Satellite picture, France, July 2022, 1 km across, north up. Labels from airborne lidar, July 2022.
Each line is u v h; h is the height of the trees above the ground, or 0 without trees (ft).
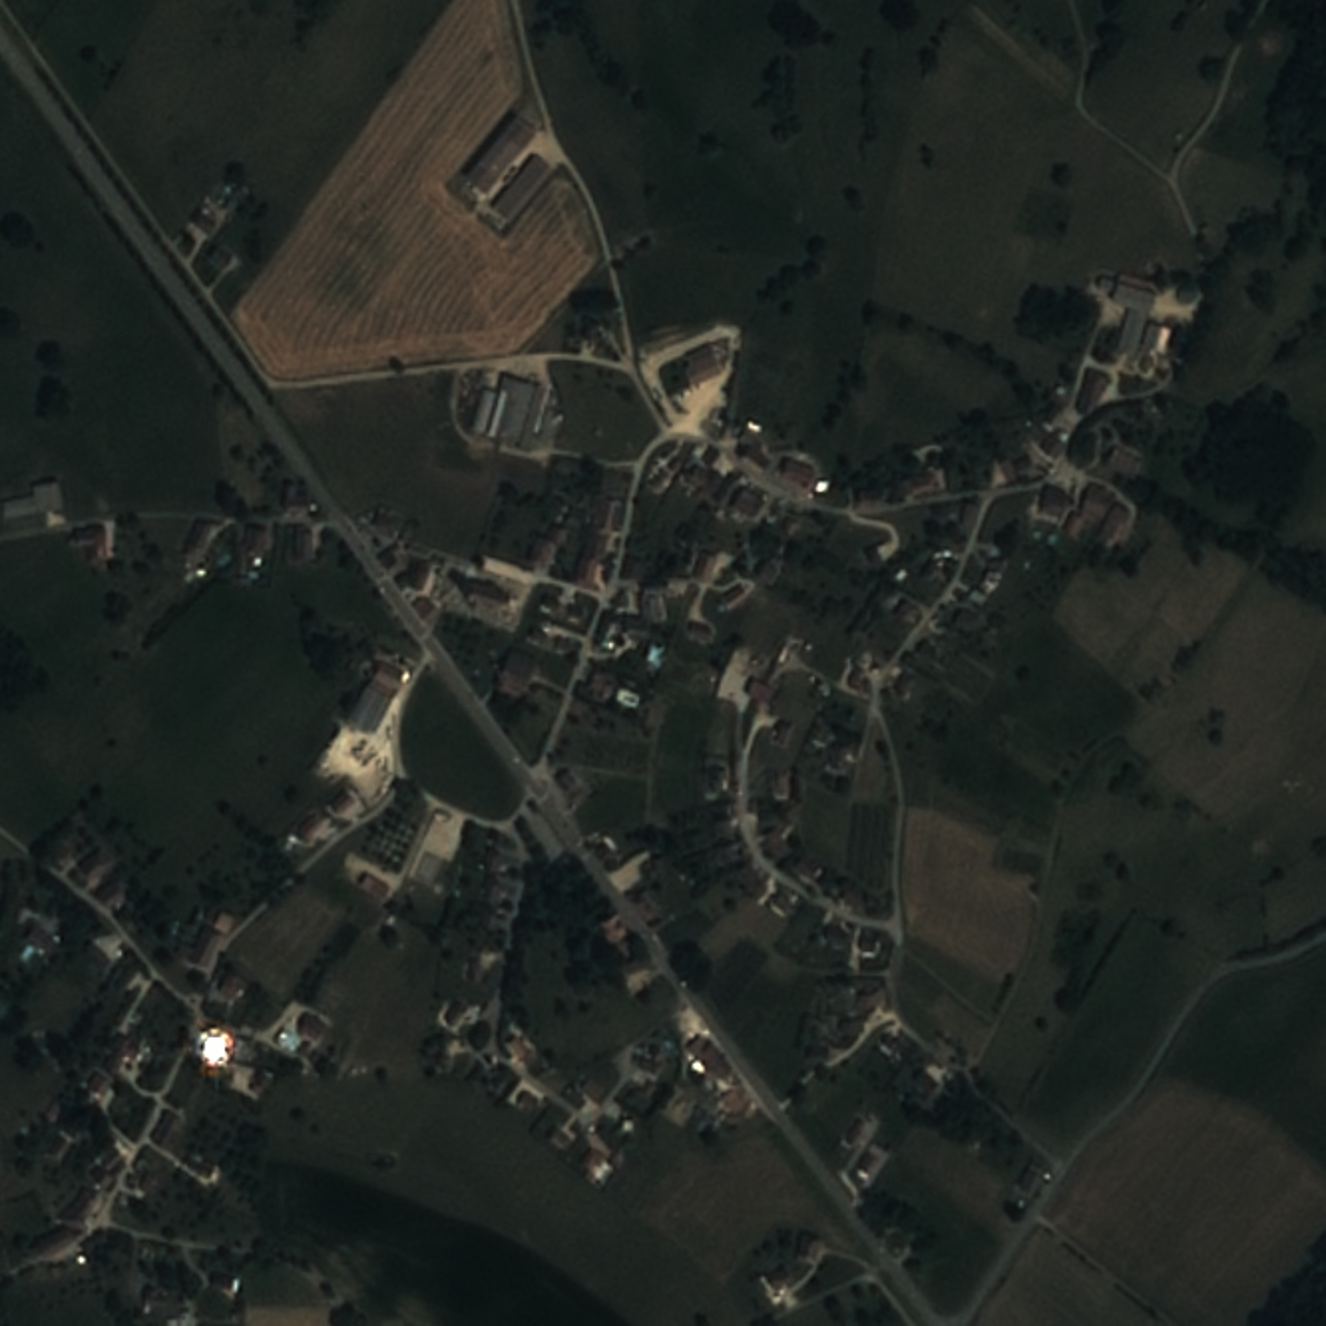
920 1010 0
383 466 0
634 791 0
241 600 0
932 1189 0
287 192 0
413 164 0
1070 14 0
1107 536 0
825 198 0
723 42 0
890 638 0
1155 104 0
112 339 0
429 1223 0
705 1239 0
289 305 0
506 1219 0
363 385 0
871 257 0
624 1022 0
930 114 0
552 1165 0
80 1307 0
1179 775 0
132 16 0
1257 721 0
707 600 0
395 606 0
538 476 0
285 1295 0
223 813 31
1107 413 22
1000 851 0
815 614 20
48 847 40
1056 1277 0
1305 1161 0
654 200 23
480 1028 30
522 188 0
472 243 0
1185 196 0
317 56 0
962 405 0
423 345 0
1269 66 0
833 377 0
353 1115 0
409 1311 0
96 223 0
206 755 0
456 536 0
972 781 0
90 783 0
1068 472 0
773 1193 0
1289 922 0
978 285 0
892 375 0
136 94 0
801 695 0
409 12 0
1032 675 29
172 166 0
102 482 0
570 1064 0
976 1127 50
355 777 0
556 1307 0
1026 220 0
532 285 0
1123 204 0
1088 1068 0
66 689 0
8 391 0
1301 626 0
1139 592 0
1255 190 0
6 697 69
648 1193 0
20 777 0
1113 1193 0
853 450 0
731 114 0
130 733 0
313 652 55
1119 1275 0
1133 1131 0
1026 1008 0
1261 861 0
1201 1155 0
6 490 0
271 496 0
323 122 0
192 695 0
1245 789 0
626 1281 0
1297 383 0
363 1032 0
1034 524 0
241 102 0
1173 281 25
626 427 0
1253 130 0
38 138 0
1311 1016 0
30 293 0
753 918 0
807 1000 0
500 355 0
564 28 35
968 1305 0
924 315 0
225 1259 25
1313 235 37
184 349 0
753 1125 0
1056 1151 0
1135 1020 0
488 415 0
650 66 0
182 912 0
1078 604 0
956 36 0
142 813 0
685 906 0
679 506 0
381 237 0
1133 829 0
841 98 0
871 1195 30
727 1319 0
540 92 0
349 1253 0
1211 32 0
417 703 0
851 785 30
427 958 0
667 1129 0
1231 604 0
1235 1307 0
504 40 0
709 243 0
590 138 0
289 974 0
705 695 0
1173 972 0
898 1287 0
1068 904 0
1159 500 51
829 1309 30
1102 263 0
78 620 0
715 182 0
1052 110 0
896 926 0
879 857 0
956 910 0
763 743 0
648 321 0
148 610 0
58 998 0
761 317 0
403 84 0
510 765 0
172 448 0
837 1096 0
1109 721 0
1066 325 38
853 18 0
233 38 0
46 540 0
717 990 0
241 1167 23
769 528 23
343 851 0
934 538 36
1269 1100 0
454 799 0
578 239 0
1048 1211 0
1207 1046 0
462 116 0
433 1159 0
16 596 0
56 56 0
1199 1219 0
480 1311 0
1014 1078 0
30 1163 33
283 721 0
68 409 39
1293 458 64
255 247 18
